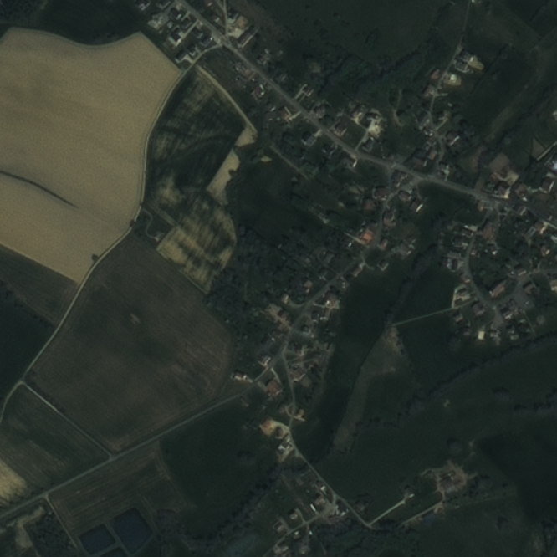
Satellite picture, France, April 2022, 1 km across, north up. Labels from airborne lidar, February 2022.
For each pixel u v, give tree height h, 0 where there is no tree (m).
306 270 7
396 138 0
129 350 0
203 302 0
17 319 0
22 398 0
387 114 0
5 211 0
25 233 0
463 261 0
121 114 0
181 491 0
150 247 0
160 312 0
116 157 0
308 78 0
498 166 0
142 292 0
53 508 0
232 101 0
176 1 0
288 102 0
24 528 0
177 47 0
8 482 0
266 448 0
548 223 0
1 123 0
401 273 0
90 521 0
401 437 0
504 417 0
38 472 0
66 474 0
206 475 0
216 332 0
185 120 0
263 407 7
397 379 0
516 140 0
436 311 0
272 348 0
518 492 0
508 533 16
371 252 0
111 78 0
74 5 0
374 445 0
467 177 13
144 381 0
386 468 0
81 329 0
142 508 0
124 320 0
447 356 0
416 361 0
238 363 0
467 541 0
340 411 0
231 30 0
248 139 0
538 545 0
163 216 0
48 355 0
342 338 0
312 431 0
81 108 0
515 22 0
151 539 0
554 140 0
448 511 0
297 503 0
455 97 0
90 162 0
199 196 0
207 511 0
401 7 0
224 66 0
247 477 0
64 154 0
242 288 15
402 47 0
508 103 0
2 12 0
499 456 0
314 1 0
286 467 13
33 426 0
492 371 0
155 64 0
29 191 0
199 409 0
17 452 0
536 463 0
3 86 0
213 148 0
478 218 0
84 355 0
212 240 0
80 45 0
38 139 0
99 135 0
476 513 0
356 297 0
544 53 0
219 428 0
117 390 0
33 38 0
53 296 0
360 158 0
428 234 0
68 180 0
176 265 0
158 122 0
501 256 0
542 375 0
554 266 0
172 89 0
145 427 0
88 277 0
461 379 12
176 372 0
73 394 0
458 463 0
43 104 0
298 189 19
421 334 0
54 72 0
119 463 0
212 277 0
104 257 0
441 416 0
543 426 0
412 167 0
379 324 0
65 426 0
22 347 0
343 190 7
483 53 0
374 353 0
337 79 24
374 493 0
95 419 0
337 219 18
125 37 0
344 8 0
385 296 0
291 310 0
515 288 0
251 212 0
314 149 0
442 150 0
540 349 10
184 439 0
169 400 0
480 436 0
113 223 0
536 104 7
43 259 0
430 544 0
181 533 14
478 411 0
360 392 0
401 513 0
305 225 0
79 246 0
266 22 0
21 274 0
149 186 0
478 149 0
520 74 0
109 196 0
